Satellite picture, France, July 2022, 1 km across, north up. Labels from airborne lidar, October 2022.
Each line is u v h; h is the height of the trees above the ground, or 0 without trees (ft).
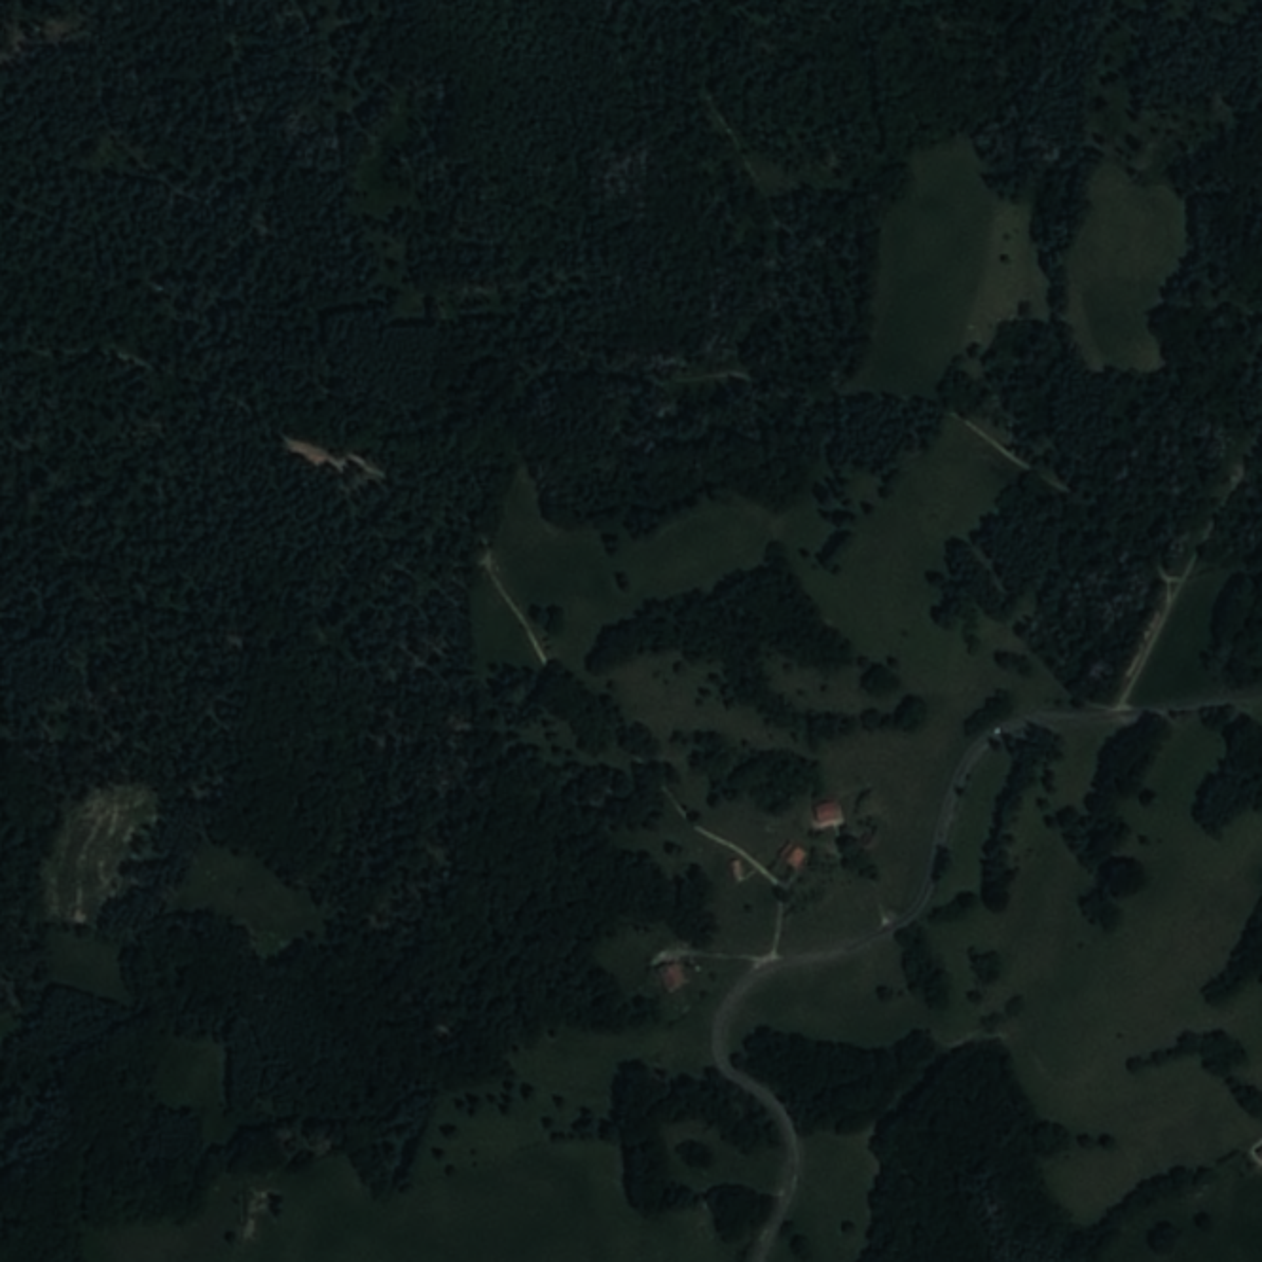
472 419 79
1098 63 67
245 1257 0
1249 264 94
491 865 88
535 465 61
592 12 55
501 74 42
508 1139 0
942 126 72
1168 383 39
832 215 74
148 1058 91
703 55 39
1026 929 0
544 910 85
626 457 76
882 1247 51
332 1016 76
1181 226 0
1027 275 0
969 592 67
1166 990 0
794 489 66
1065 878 0
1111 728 0
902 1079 52
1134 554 45
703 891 68
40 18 31
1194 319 47
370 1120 49
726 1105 74
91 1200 86
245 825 81
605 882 58
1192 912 0
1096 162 60
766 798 20
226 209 94
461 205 98
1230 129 52
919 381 0
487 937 92
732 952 0
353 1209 0
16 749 73
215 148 74
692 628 61
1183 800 0
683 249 83
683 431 100
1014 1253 73
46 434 77
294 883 62
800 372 29
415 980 93
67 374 52
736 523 0
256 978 60
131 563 66
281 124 81
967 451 0
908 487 0
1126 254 0
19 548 63
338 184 74
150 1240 0
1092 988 0
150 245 67
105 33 76
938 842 0
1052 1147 66
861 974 0
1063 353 23
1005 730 0
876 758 0
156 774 78
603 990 79
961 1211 84
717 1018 0
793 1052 46
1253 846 0
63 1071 71
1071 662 50
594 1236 0
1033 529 81
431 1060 97
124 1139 94
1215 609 0
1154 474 75
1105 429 80
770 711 45
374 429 69
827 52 31
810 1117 60
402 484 40
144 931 74
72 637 74
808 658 22
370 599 46
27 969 73
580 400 102
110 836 0
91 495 82
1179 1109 0
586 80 65
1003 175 20
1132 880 73
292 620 98
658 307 75
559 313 82
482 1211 0
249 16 76
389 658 106
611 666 65
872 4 49
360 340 67
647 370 74
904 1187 78
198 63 91
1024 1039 0
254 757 85
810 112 35
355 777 81
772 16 55
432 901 96
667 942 0
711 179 68
